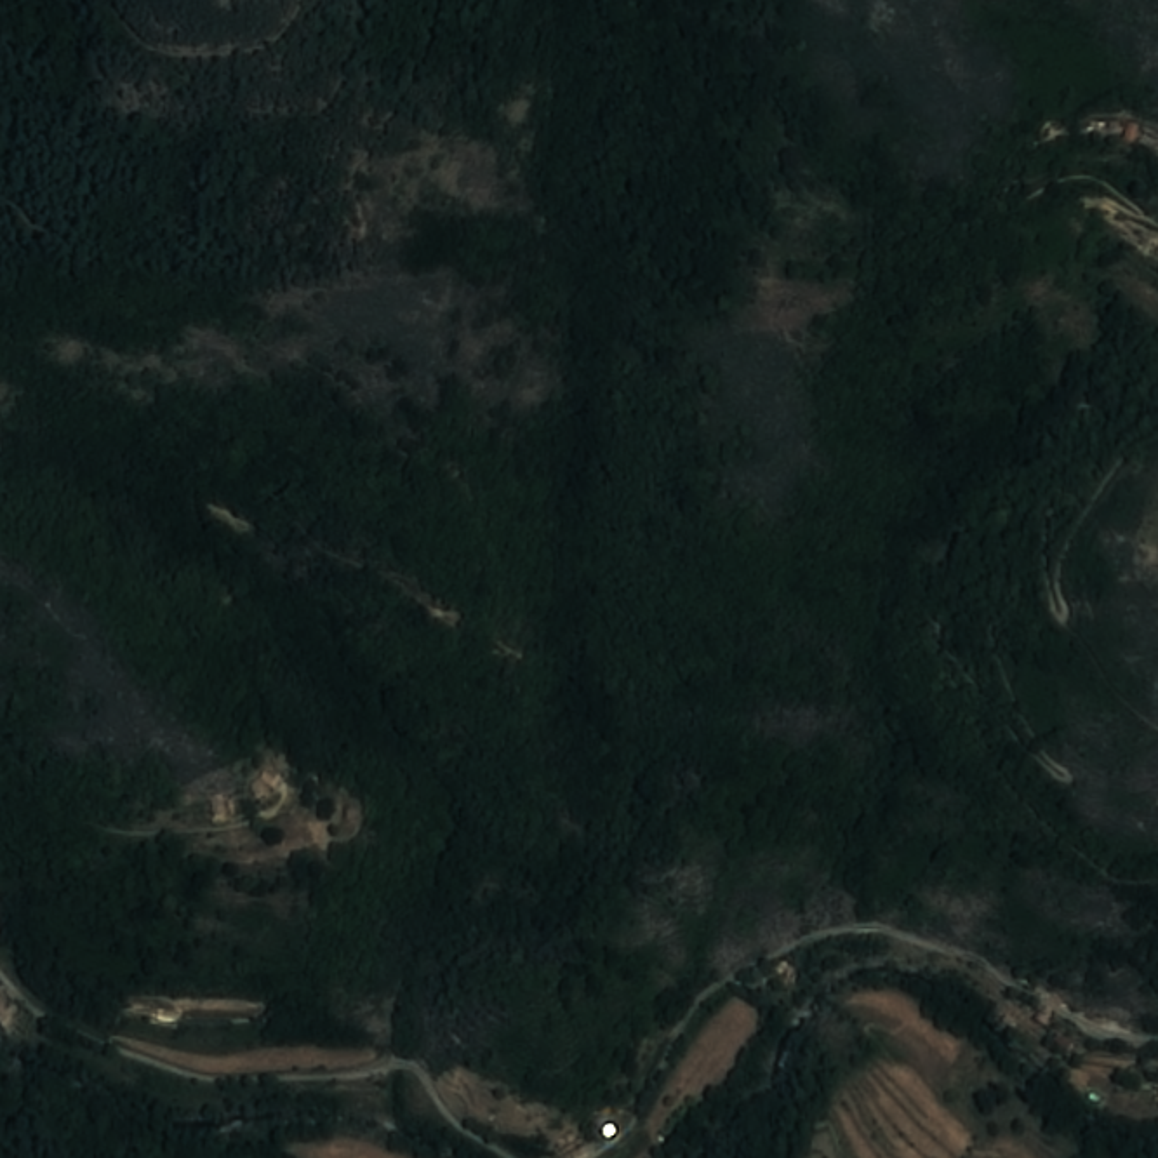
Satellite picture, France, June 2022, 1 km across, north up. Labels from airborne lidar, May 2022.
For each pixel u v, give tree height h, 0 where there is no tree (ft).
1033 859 24
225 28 64
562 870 31
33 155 119
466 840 81
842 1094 0
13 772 42
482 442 41
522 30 66
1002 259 37
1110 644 0
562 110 54
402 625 35
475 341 0
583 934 29
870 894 52
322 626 52
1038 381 41
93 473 62
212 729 26
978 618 28
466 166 0
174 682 36
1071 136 22
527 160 28
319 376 30
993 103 0
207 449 54
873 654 71
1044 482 49
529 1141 18
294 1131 48
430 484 34
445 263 30
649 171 59
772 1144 19
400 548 49
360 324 0
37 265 59
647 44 64
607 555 32
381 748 43
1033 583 30
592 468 73
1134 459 44
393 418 20
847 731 30
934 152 0
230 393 24
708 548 47
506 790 30
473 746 31
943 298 26
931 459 44
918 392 66
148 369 37
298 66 45
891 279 50
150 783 26
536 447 39
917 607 48
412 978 41
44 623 0
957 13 0
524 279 40
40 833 27
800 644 50
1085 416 47
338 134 50
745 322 0
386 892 44
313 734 70
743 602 46
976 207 35
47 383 33
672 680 36
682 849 24
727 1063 0
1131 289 0
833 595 53
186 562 38
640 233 70
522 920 38
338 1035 38
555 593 64
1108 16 0
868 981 36
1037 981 44
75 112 117
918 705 44
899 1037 0
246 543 54
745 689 45
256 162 58
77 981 52
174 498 55
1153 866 36
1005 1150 0
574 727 67
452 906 62
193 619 45
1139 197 71
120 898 36
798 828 37
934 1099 0
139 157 70
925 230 40
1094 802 0
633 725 40
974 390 40
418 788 40
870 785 50
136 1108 53
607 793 39
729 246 35
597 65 73
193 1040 0
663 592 39
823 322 39
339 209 31
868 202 46
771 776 54
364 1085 0
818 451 27
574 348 48
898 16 0
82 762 22
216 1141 45
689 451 37
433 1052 0
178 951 46
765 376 0
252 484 56
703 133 51
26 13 41
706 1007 29
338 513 59
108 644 19
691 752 49
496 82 61
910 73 0
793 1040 46
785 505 19
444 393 24
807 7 0
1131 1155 65
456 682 35
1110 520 0
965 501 72
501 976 29
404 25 66
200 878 42
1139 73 0
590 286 67
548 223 45
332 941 30
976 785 35
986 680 36
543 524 51
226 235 81
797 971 25
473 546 32
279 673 63
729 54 38
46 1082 73
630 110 68
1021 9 0
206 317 42
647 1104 63
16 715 34
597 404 65
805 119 28
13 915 37
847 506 47
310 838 0
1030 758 26
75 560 39
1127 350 46
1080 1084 0
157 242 82
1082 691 0
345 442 42
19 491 39
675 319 20
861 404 63
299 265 52
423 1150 39
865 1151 0
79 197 118
